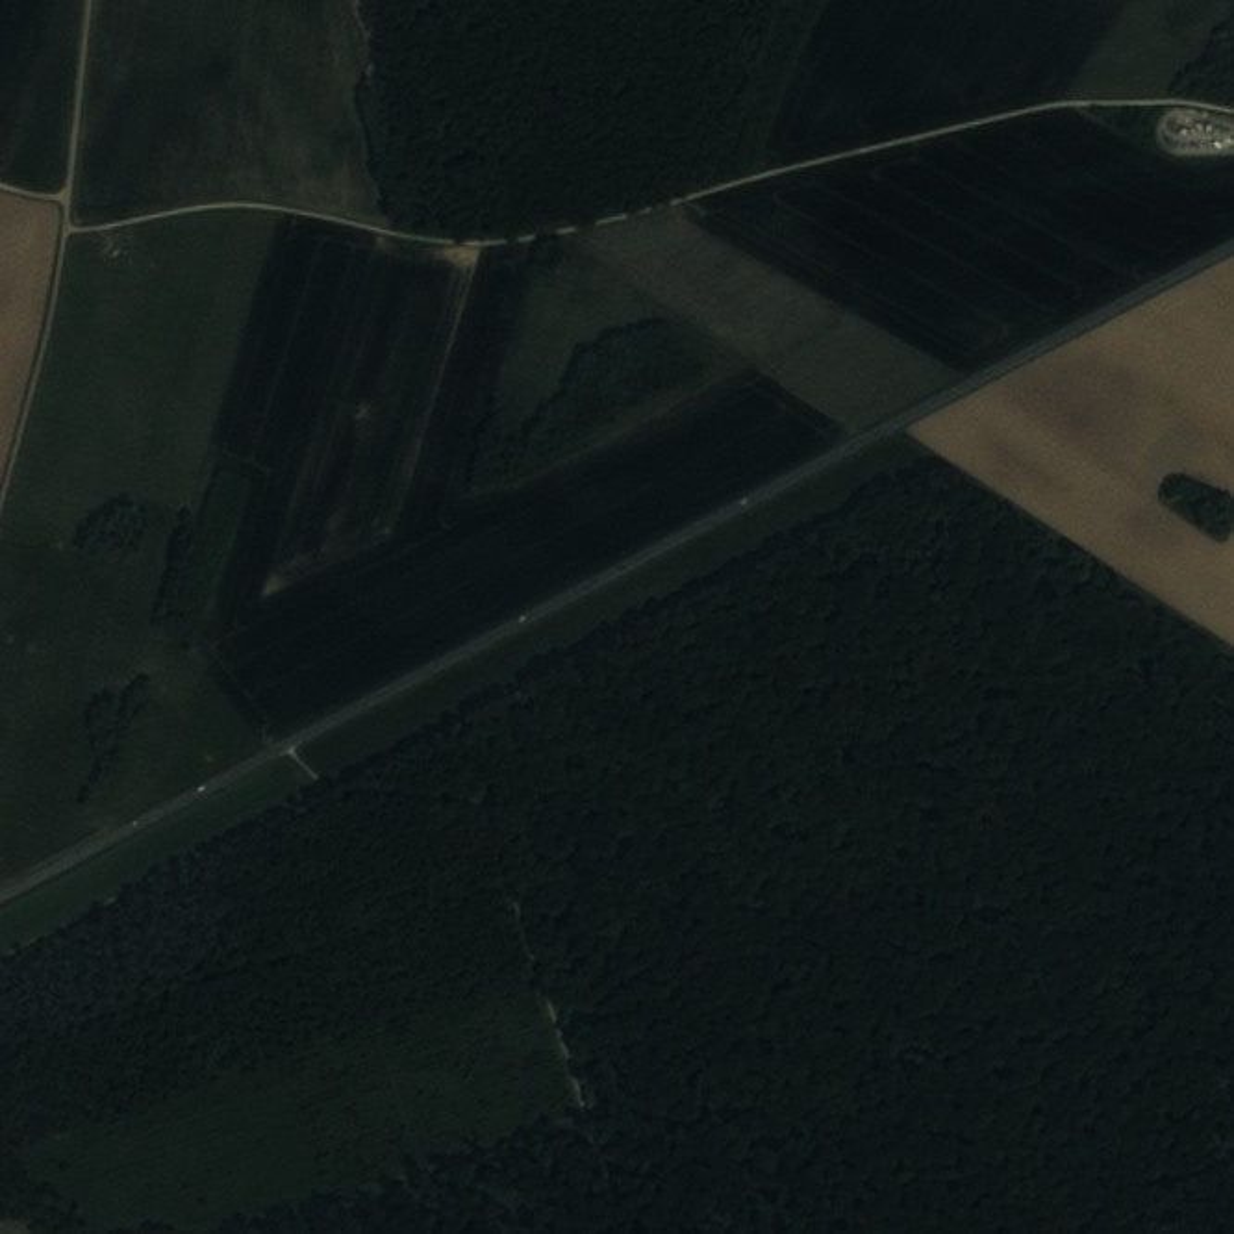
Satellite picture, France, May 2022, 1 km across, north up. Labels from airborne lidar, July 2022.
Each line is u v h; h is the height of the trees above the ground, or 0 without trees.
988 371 0
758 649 29
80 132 0
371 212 0
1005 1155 25
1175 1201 28
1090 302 0
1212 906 20
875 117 0
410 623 0
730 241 0
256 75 0
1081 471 0
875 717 21
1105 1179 26
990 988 27
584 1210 30
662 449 0
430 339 0
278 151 0
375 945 13
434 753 21
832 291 0
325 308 0
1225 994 24
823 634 23
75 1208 10
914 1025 27
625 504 0
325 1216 26
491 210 22
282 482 0
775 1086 25
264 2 0
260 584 0
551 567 0
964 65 0
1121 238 0
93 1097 14
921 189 0
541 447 19
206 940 26
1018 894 24
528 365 0
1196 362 0
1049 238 0
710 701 23
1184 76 9
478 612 0
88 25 0
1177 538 0
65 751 0
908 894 27
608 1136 20
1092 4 0
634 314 0
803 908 27
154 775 0
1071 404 0
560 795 30
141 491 0
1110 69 0
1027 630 30
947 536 23
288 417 0
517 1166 32
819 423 0
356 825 21
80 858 0
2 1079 22
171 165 0
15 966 16
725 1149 30
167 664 0
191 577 10
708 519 0
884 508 25
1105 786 24
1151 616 22
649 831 28
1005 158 0
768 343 0
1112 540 0
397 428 0
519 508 0
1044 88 0
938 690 29
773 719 27
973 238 0
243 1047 12
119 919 21
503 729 26
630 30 25
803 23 9
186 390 0
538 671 19
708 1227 27
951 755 29
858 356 0
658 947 29
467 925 12
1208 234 0
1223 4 0
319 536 0
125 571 0
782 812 23
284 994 13
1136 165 0
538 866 28
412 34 24
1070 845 28
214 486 7
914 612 26
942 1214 26
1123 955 23
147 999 19
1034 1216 24
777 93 10
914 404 0
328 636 0
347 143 0
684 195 14
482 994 9
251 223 0
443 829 26
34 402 0
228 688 0
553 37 22
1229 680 23
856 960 28
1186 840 23
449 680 0
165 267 0
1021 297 0
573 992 24
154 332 0
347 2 0
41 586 0
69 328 0
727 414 0
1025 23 0
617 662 27
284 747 0
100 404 0
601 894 31
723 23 21
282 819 19
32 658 0
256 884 25
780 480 0
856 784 21
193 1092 8
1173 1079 27
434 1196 29
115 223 0
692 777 24
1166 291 0
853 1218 28
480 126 23
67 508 0
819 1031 29
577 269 0
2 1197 17
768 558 19
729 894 25
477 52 24
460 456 0
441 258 0
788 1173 29
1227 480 0
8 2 0
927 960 23
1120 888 24
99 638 0
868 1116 28
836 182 0
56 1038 10
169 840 0
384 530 0
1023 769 28
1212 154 0
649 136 21
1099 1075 20
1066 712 26
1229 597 0
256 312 0
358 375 0
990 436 0
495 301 0
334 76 0
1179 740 26
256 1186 0
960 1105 30
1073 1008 27
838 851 21
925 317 0
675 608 19
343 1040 6
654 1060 30
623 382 17
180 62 0
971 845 24
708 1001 30
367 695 0
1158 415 0
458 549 0
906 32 0
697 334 0
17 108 0
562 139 22
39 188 0
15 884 0
